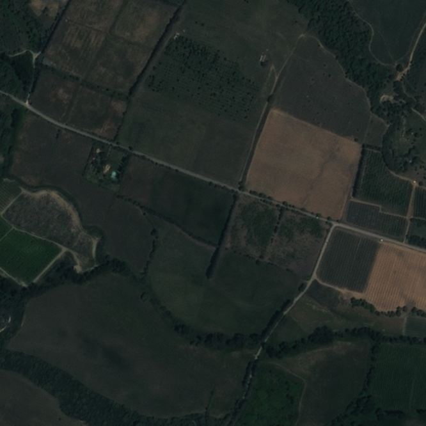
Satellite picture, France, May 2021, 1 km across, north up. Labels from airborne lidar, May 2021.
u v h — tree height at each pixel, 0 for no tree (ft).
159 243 37
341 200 0
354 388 0
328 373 0
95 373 0
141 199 0
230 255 0
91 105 0
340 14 49
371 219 0
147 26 0
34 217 22
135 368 0
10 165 21
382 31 0
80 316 0
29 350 0
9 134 48
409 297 0
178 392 0
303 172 0
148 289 0
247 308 0
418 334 0
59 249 18
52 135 0
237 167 0
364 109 0
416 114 0
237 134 0
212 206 0
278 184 0
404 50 0
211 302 0
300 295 0
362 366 0
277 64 0
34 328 0
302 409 0
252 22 0
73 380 29
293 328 0
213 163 0
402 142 0
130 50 0
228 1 0
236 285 0
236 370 0
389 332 0
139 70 0
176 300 0
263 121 0
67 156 0
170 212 0
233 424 53
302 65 0
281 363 0
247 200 0
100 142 23
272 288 0
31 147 0
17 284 0
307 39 0
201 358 0
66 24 0
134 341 0
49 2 0
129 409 28
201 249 0
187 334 94
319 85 0
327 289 0
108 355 0
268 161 0
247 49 0
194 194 0
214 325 0
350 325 0
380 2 0
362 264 0
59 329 0
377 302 0
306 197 0
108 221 0
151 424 26
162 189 0
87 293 0
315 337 88
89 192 0
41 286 21
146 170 0
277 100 0
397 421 0
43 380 24
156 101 0
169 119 0
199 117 0
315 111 0
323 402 0
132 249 0
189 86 0
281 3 0
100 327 0
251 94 26
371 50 0
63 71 0
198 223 0
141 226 0
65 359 0
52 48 0
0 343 25
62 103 0
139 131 0
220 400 0
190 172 0
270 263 23
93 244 0
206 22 0
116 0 0
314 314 0
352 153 0
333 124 0
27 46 0
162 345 0
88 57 0
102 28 0
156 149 0
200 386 0
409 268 0
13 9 24
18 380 0
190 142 0
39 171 0
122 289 0
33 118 0
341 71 0
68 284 0
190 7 0
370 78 50
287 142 0
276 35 0
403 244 0
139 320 0
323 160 0
